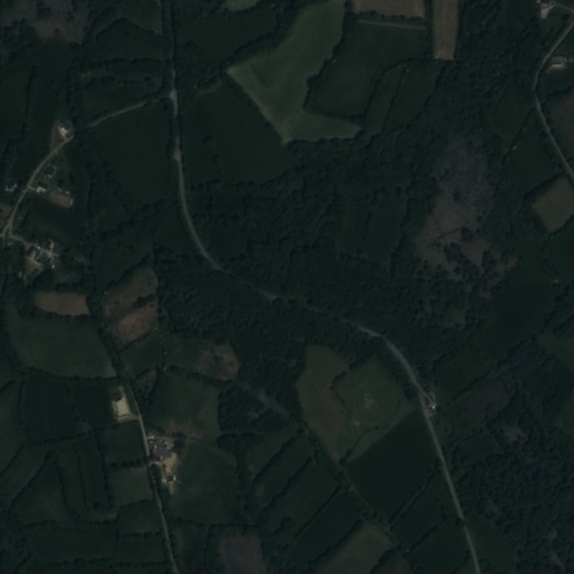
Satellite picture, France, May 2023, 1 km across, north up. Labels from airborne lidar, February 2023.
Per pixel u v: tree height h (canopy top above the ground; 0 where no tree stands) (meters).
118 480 0
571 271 0
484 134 8
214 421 0
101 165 8
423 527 0
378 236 0
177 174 0
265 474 13
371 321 19
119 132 0
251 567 0
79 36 0
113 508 7
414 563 12
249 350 15
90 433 9
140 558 0
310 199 13
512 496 17
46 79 7
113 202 0
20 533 15
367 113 10
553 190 0
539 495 20
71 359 0
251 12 12
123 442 0
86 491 8
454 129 10
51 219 0
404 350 15
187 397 0
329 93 0
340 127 0
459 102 9
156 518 0
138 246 0
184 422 0
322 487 0
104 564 12
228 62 7
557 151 0
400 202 0
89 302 11
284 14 15
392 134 7
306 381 0
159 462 0
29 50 8
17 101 0
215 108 0
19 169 0
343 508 0
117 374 9
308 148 18
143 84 9
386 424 0
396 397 0
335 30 0
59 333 0
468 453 0
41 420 0
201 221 11
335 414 0
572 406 0
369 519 9
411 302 14
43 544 0
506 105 0
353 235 0
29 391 0
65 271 0
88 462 0
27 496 9
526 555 18
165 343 0
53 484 0
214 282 22
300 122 0
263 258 24
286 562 6
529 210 13
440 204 0
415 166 11
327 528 0
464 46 13
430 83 0
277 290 9
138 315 0
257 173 0
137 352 0
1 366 0
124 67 17
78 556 0
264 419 12
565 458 9
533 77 15
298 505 0
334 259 19
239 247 0
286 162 0
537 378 18
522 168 0
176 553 9
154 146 0
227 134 0
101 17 15
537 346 12
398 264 22
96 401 0
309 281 17
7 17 0
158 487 11
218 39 0
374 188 0
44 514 0
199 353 0
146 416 11
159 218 18
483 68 11
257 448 0
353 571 0
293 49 0
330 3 0
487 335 0
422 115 9
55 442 8
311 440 8
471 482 11
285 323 18
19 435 0
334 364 0
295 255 26
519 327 0
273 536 9
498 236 6
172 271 23
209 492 0
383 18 7
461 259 15
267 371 19
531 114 7
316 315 12
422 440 0
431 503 0
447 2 0
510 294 0
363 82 0
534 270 0
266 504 0
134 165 0
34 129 0
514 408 17
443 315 6
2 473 7
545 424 14
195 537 0
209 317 10
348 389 0
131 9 0
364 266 26
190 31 0
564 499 19
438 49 0
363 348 8
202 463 0
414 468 0
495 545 0
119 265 0
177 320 15
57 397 0
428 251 0
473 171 0
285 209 15
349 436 0
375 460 0
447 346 14
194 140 0
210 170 0
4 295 14
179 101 8
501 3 22
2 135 0
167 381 0
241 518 0
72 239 0
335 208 25
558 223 0
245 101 10
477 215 0
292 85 0
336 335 12
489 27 21
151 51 0
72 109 16
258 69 0
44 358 0
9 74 0
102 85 16
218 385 10
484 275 9
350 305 20
